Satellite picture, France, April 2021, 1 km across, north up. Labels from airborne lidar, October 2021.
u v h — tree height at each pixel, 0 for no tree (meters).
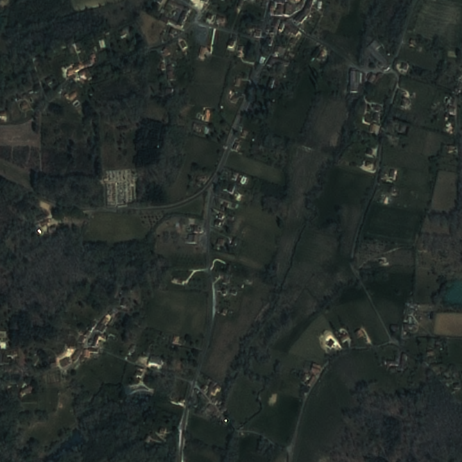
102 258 24
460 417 17
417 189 0
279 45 6
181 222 12
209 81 0
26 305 13
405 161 0
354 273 0
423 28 0
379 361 9
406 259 0
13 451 25
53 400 0
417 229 0
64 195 26
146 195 12
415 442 13
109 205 0
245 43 7
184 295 0
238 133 15
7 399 22
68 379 8
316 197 17
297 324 0
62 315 20
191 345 0
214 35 0
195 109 0
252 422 0
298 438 0
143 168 13
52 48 18
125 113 22
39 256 21
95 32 11
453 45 0
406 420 11
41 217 13
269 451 14
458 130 0
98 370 0
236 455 19
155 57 0
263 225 0
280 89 12
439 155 6
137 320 22
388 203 0
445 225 25
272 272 25
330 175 0
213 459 0
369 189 7
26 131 0
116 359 0
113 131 0
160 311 0
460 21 0
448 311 8
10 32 13
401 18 14
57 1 6
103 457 6
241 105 0
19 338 24
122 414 8
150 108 0
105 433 15
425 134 0
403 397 19
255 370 0
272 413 0
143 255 15
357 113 15
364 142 9
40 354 18
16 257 10
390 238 0
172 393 20
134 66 11
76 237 24
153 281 23
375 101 0
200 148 0
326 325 0
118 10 0
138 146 20
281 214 16
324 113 0
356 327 0
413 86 0
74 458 17
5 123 0
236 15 0
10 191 19
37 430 0
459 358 0
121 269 20
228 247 14
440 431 14
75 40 7
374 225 0
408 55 0
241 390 0
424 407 23
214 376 0
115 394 15
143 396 12
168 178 20
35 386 17
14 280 20
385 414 15
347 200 0
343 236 6
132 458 24
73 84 8
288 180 8
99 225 0
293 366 0
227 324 0
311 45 0
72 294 14
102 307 16
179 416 8
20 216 13
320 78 31
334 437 0
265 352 20
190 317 0
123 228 0
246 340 12
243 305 0
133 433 14
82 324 8
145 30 0
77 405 14
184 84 0
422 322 0
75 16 13
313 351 0
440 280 6
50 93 19
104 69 14
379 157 0
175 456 11
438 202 0
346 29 0
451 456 23
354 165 9
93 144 23
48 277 22
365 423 13
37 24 15
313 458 0
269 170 0
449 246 18
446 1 0
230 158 0
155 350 6
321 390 0
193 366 12
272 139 18
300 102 0
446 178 0
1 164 0
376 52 0
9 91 14
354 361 0
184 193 0
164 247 0
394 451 16
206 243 0
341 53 0
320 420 0
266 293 0
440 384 12
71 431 12
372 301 0
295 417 0
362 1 0
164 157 20
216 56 0
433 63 0
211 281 0
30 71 13
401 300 0
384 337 0
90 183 27
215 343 0
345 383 0
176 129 21
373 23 17
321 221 0
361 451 8
